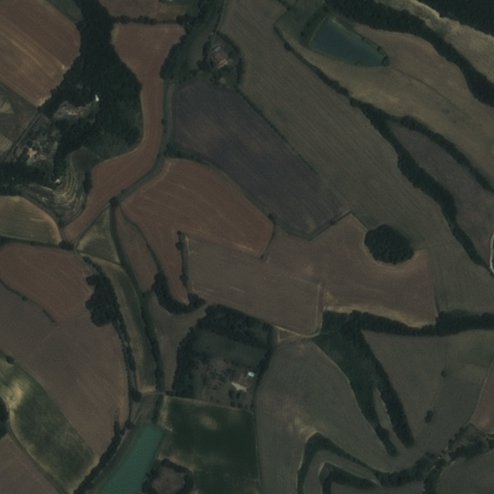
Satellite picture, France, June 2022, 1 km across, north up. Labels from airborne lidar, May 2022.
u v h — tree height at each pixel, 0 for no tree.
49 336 0
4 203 0
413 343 0
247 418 0
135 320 0
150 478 19
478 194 0
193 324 0
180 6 0
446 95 0
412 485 0
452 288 0
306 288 0
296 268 0
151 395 0
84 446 0
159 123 0
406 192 0
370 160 0
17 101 0
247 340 32
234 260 0
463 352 0
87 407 0
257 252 0
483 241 0
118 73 20
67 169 18
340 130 0
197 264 0
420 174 12
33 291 0
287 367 0
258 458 0
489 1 18
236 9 0
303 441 0
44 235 0
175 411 0
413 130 10
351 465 0
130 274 0
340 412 0
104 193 0
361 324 15
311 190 0
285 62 0
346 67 0
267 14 0
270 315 0
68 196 0
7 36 0
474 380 0
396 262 16
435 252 0
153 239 0
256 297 0
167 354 0
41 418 0
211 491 0
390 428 0
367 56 0
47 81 0
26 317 0
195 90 0
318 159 0
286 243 0
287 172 0
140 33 0
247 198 0
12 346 0
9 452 0
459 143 0
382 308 0
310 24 7
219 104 0
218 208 0
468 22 13
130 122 11
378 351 0
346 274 0
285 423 0
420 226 0
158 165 0
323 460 0
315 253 0
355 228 0
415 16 11
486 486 0
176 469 14
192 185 0
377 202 0
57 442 0
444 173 0
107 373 0
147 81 0
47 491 0
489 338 0
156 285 14
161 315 0
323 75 8
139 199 0
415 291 0
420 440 0
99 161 0
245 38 0
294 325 0
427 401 0
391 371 0
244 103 0
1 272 0
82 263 0
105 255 0
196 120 0
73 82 9
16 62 0
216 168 0
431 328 13
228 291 0
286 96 0
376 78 0
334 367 0
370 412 9
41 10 0
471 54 0
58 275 0
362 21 14
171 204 0
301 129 0
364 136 0
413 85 0
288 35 0
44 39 0
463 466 0
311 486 0
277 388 0
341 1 11
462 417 0
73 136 13
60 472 0
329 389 0
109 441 0
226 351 0
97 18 19
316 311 0
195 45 0
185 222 0
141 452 0
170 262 0
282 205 0
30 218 0
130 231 0
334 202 0
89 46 21
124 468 0
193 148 0
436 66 0
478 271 0
